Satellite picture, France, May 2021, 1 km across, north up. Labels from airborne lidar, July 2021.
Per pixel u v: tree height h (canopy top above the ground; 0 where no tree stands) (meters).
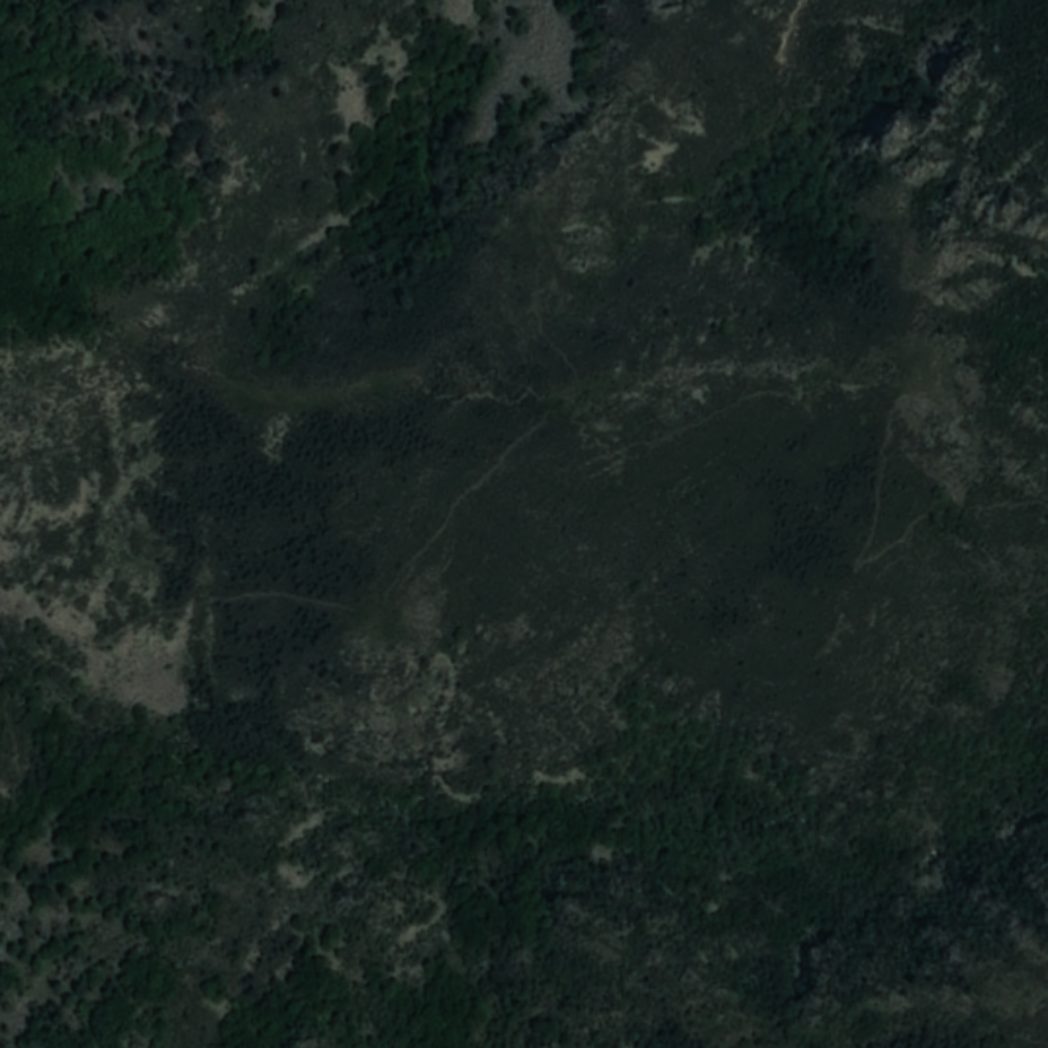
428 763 7
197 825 7
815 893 9
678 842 17
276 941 12
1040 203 9
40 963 15
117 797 13
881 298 6
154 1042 12
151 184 14
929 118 7
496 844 9
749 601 9
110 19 23
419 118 18
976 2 16
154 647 0
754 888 10
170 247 16
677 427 0
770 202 19
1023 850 8
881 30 8
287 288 8
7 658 10
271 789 6
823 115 24
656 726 6
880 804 8
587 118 12
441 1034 12
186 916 7
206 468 7
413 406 7
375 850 6
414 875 10
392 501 0
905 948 6
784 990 15
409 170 20
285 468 10
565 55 0
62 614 0
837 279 7
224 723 17
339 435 9
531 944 10
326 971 9
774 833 9
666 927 8
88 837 8
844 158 9
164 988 9
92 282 17
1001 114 10
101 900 11
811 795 11
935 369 0
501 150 9
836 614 0
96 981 8
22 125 16
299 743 11
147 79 14
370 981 9
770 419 0
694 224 8
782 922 10
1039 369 10
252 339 6
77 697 7
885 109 8
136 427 0
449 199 28
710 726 15
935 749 14
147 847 8
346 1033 13
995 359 7
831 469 9
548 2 0
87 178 7
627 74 0
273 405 0
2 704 8
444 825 22
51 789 12
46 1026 8
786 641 0
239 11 9
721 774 8
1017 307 6
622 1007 8
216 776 13
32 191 19
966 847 13
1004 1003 0
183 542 8
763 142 15
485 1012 13
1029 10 7
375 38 7
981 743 15
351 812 7
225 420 14
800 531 8
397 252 12
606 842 13
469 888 14
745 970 7
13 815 12
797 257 12
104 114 10
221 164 17
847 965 6
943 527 7
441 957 12
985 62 6
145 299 0
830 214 18
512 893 15
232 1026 12
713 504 0
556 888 10
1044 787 9
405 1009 7
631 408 0
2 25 19
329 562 8
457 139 23
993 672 0
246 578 8
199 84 27
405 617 0
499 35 0
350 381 0
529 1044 9
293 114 0
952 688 7
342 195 10
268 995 11
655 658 12
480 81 12
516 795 8
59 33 12
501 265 0
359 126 18
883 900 13
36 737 10
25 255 26
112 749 13
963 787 8
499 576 0
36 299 18
